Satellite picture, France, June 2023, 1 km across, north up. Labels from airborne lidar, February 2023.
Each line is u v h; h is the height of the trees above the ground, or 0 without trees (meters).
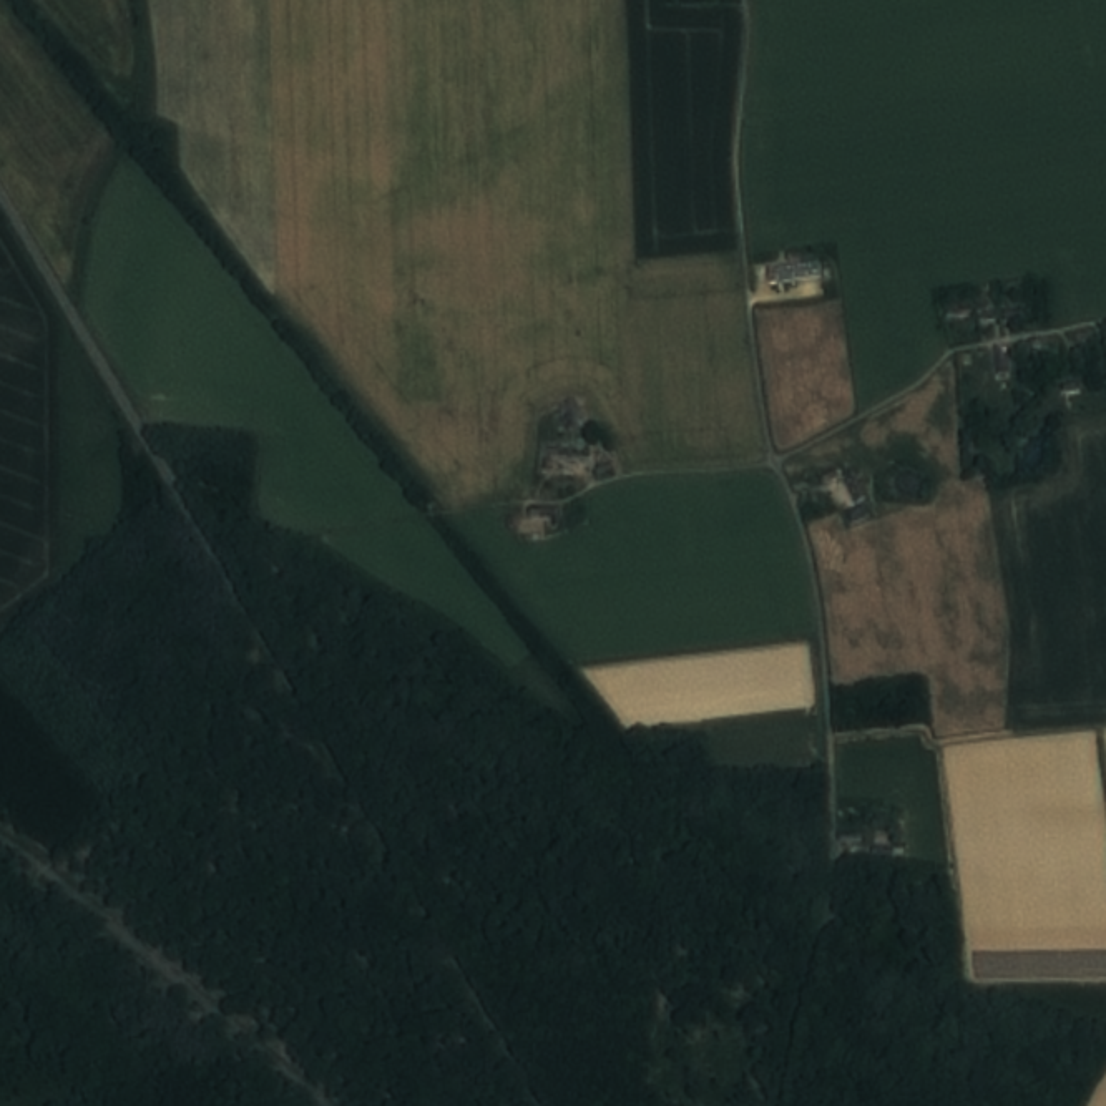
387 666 25
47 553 0
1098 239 0
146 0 0
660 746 6
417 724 28
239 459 18
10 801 8
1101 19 0
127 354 0
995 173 0
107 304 0
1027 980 0
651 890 23
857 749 0
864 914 24
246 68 0
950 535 0
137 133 14
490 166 0
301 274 0
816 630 0
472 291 0
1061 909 0
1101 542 0
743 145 0
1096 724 0
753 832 26
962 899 0
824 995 16
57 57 11
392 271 0
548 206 0
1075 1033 23
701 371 0
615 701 0
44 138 0
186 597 22
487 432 0
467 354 0
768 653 0
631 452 0
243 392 0
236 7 0
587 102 0
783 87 0
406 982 28
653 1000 20
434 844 26
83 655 21
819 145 0
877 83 0
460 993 25
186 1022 18
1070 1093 22
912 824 0
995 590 0
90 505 0
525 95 0
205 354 0
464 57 0
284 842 27
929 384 0
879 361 0
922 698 10
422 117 0
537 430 0
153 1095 19
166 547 22
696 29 0
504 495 0
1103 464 0
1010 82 0
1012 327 11
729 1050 0
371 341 0
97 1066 26
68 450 0
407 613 20
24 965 22
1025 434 24
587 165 0
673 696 0
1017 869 0
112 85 0
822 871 24
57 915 24
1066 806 0
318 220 0
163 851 23
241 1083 17
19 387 0
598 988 19
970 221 0
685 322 0
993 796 0
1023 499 0
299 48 0
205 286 0
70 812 9
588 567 0
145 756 18
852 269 0
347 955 23
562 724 23
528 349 0
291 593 21
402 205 0
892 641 0
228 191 0
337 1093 21
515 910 27
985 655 0
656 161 0
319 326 0
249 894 24
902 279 0
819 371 0
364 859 24
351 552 0
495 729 23
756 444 0
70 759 17
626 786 18
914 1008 26
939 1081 22
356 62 0
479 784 24
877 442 0
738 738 0
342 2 0
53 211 0
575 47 0
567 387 0
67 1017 25
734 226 0
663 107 0
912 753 0
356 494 0
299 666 23
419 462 0
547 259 0
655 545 0
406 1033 23
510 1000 17
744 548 0
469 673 22
